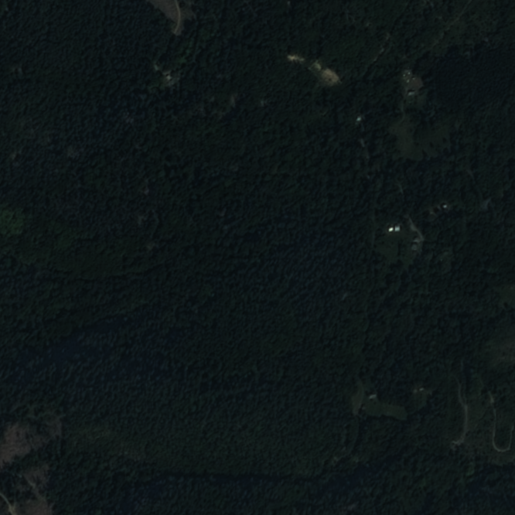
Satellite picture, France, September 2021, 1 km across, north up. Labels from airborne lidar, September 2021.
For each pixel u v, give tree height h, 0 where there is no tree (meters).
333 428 18
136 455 7
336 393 25
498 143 29
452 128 19
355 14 20
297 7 24
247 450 14
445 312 30
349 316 25
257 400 18
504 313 12
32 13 25
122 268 15
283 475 20
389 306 23
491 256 13
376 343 19
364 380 14
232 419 20
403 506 28
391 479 26
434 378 22
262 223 19
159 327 24
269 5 24
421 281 32
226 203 25
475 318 29
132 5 33
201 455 22
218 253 25
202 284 29
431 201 26
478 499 20
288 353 19
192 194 25
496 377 6
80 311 21
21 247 26
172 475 22
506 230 32
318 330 30
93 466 17
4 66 25
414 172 12
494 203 27
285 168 32
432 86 27
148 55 23
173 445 10
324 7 6
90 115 14
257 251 19
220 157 29
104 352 21
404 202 11
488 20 8
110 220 21
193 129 29
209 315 23
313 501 33
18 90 23
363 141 22
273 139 24
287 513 31
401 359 27
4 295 28
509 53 21
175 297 22
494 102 26
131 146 20
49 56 26
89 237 19
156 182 24
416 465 29
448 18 7
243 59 31
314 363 35
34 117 12
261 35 26
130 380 23
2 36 24
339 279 24
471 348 19
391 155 8
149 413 28
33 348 17
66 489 29
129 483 18
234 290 33
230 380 26
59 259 21
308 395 25
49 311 22
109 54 29
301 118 34
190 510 21
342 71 19
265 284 26
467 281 21
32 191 26
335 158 9
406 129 0
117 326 17
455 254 18
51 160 30
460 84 21
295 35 23
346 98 9
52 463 20
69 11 22
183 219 24
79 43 23
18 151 17
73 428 13
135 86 28
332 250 30
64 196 21
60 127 28
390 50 20
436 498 26
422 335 21
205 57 19
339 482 17
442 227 13
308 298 33
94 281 15
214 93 23
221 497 25
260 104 23
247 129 29
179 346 31
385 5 21
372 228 22
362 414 10
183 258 20
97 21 21
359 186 8
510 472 26
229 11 22
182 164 23
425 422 22
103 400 23
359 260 21
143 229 15
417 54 27
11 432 0
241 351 34
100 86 12
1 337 18
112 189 20
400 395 30
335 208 29
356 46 24
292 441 20
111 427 22
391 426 25
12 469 13
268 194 16
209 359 21
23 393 30
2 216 18
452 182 27
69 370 18
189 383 32
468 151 8
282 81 25
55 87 17
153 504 24
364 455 21
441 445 24
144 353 14
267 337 29
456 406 8
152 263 23
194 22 14
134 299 20
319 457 18
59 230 21
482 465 30
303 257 22
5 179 28
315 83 18
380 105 11
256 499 22
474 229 10
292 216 32
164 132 26
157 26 27
